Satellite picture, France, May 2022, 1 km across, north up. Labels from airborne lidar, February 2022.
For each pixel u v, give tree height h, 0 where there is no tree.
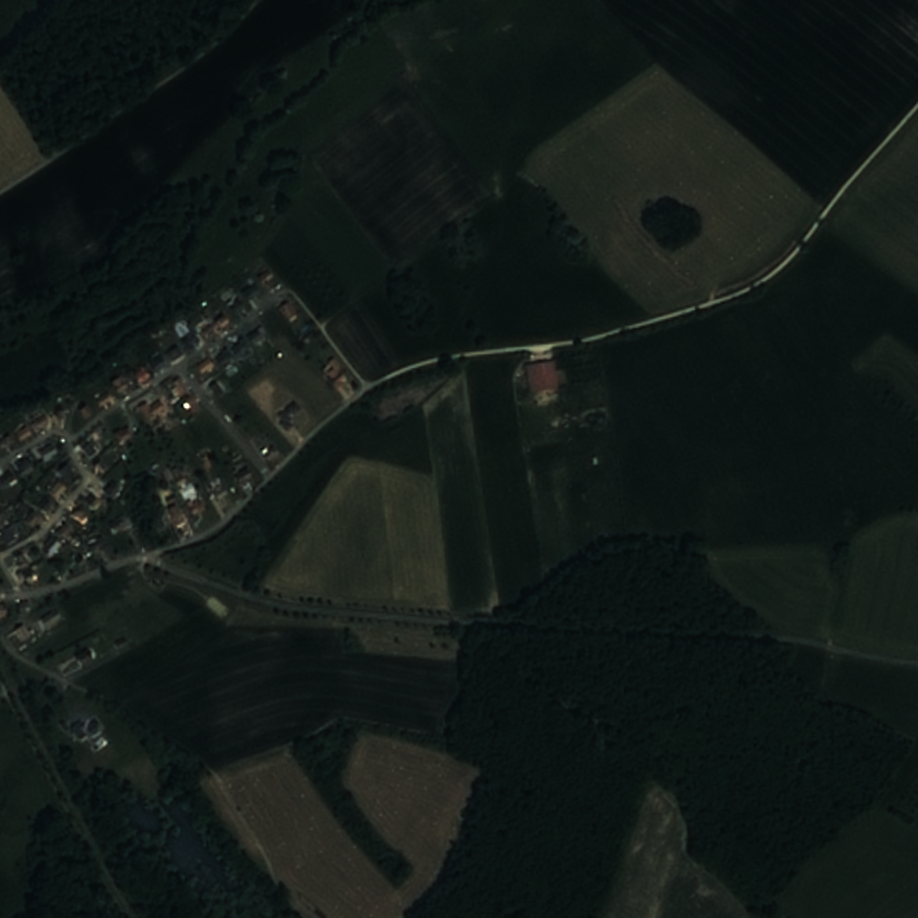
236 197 0
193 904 25
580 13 0
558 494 0
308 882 0
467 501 0
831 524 0
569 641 22
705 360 0
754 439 0
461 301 0
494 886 18
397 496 0
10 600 0
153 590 0
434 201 0
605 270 0
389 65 0
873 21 0
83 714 0
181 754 17
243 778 0
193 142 0
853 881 0
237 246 0
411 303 24
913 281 0
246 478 0
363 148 0
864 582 0
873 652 0
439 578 0
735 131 0
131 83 25
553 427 0
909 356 0
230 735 0
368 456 0
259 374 0
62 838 24
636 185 0
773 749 18
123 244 18
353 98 0
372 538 0
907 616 0
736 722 18
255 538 7
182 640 0
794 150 0
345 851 0
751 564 0
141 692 0
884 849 0
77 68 27
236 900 9
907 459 0
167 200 18
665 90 0
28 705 13
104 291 21
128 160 0
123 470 0
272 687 0
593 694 22
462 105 0
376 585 0
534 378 0
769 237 0
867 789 17
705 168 0
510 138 0
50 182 0
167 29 26
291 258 0
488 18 0
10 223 0
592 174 0
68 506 0
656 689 22
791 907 0
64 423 0
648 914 0
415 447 0
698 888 0
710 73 0
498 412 0
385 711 0
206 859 0
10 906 0
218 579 0
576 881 21
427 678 0
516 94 0
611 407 0
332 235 0
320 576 0
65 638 0
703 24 0
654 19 0
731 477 0
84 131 17
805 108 0
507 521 0
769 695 16
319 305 0
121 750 0
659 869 0
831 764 19
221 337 0
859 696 0
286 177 17
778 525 0
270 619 0
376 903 0
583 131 0
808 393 0
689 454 0
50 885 26
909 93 0
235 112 18
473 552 0
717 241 0
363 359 0
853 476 0
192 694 0
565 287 0
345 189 0
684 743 17
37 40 27
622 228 0
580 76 0
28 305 5
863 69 0
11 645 0
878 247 0
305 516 0
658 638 21
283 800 0
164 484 8
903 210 0
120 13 26
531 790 20
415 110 0
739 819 19
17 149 0
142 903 18
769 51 0
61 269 0
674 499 0
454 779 0
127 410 0
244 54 0
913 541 0
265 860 0
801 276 0
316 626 0
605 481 0
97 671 0
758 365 0
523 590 0
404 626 0
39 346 0
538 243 0
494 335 0
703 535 0
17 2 0
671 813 0
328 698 0
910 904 0
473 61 0
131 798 16
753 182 0
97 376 18
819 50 0
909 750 10
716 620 23
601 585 22
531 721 20
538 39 0
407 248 0
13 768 0
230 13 28
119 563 0
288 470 0
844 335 0
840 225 0
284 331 0
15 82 18
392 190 0
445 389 0
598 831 19
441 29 0
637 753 19
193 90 0
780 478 0
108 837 23
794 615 0
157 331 10
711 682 23
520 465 0
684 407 0
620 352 0
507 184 0
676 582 23
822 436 0
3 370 0
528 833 22
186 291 21
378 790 0
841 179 0
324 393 0
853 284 0
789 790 18
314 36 0
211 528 0
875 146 0
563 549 0
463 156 0
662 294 0
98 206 0
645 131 0
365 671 0
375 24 16
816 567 0
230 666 0
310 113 0
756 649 20
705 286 0
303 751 10
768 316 0
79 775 19
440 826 0
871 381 0
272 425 0
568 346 0
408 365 0
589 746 23
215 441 0
